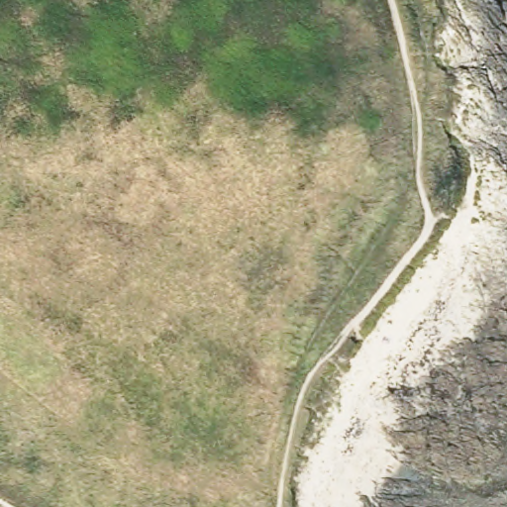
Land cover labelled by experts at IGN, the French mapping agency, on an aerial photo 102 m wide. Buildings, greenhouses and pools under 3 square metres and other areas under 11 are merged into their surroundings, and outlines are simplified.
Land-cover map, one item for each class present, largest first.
<instances>
[{"label":"herbaceous vegetation","instance_id":"1","mask_svg":"<svg viewBox=\"0 0 507 507\"><path fill-rule=\"evenodd\" d=\"M414 109L410 101L408 79L400 55L396 30L392 24L388 0H0V507H277V483L283 450L289 436L293 406L307 372L329 351V347L337 341L339 333L343 331V327L366 305V301L374 295V291L386 279V275L392 271V267L400 261V257L412 248L426 220L416 186ZM422 42L414 44L408 40V51L412 59L424 125V186L428 190L432 212H448L456 216L465 196L469 176V156L465 154L463 147H459L456 137L450 131V125L456 123L454 107L459 103V93L454 91L452 83L446 81L444 73L436 69V65L442 61L438 53H442L444 46H436V42L428 34L422 32ZM452 224L448 220L436 222L428 242L412 257V261L404 267V271L392 283L388 293L362 321L360 333H364L366 337L374 331L384 311L390 305H394L396 297L414 277L416 269L424 267L426 257L440 246L444 232ZM362 343L356 337H349L341 351L333 355L331 362H327L325 368L311 382L297 422L287 483L297 481L301 469L307 465L305 450L317 446L309 440V436L313 434V424L325 420V414L331 408V398L341 386V376L351 370V358L356 356Z\"/></svg>","mask_w":507,"mask_h":507},{"label":"bare soil","instance_id":"2","mask_svg":"<svg viewBox=\"0 0 507 507\"><path fill-rule=\"evenodd\" d=\"M408 40L414 44L422 42V32L428 34L436 42V46H444L442 53H438L442 61L436 65V69L444 73L446 81L452 83L454 91L459 93V103L454 107L456 123L450 125V131L456 137L459 147H463L465 154L469 156V176L465 196L456 216L452 224L444 232L440 246L426 257L424 267L416 269L414 277L396 297L394 305H390L384 311L374 331L366 337V341L362 343L356 356L351 358V370L341 376V386L331 398V408L325 414V420L313 424V434L309 436V440L317 446L305 450L307 465L301 469L297 481L287 483L283 507H507V0H396Z\"/></svg>","mask_w":507,"mask_h":507},{"label":"pervious surface","instance_id":"3","mask_svg":"<svg viewBox=\"0 0 507 507\"><path fill-rule=\"evenodd\" d=\"M392 24L396 30L400 55L408 79L410 101L414 109L416 186L426 220L412 248L400 257V261L392 267V271L386 275V279L374 291V295L366 301V305L343 327V331L339 333L337 341L329 347V351L307 372L293 406L289 436L283 450L277 483V507H283L287 483L297 422L311 382L325 368L327 362H331L333 355L341 351L349 337H356L362 343L366 341V337L364 333H360L362 321L388 293L392 283L404 271V267L412 261V257L428 242L436 222L448 220L452 224L456 216L448 212H432L428 190L424 186V125L412 59L408 51V40L396 0H388Z\"/></svg>","mask_w":507,"mask_h":507}]
</instances>
